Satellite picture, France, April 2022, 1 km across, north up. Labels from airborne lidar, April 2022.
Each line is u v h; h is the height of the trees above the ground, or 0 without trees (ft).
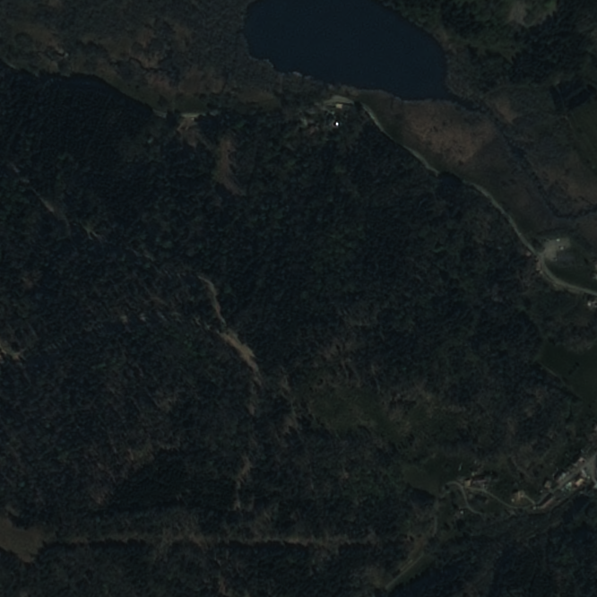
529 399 55
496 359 95
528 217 0
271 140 67
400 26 0
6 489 85
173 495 42
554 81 17
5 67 65
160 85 0
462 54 41
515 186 41
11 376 27
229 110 28
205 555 93
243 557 88
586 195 0
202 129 66
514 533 31
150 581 89
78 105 91
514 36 67
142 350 93
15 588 65
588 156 0
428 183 55
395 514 79
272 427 72
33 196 82
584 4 86
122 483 78
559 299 49
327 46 0
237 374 109
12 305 115
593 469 0
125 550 79
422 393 52
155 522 72
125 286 107
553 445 43
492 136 0
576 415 51
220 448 79
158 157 78
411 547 53
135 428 91
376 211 98
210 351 87
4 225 106
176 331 103
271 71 28
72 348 107
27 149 100
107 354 96
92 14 30
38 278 132
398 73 0
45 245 99
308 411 70
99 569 88
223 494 33
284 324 82
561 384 55
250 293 107
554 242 0
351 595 94
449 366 51
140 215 126
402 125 0
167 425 87
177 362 90
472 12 85
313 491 63
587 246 23
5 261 93
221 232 74
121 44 0
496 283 98
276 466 85
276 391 84
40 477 36
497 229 79
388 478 65
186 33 0
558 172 0
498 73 45
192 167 88
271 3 0
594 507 71
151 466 33
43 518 78
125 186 80
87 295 109
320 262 75
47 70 0
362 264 80
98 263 104
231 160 0
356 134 55
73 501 93
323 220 90
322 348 75
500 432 67
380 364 79
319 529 77
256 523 72
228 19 40
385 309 73
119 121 66
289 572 98
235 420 114
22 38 21
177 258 116
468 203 52
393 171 75
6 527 0
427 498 85
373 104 0
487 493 0
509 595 86
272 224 94
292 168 26
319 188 72
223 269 81
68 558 70
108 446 110
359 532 66
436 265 68
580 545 45
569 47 75
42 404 38
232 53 49
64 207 96
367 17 0
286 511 40
